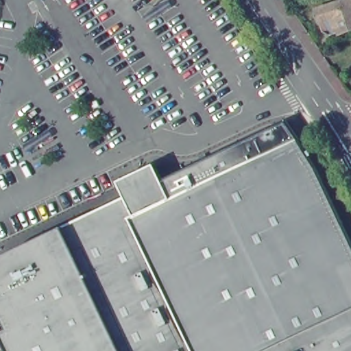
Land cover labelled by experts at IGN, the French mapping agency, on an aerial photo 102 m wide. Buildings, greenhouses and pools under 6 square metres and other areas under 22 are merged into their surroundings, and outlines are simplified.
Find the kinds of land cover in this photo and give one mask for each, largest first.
<instances>
[{"label":"building","instance_id":"1","mask_svg":"<svg viewBox=\"0 0 351 351\"><path fill-rule=\"evenodd\" d=\"M310 19L317 23L322 37H325L341 36L351 30V0H322L317 7L311 8L308 12ZM285 118H282L271 123L269 130H256L233 143L223 145L217 151L202 152L195 160L178 162L181 170L169 177L158 178L154 167L145 165L112 181L118 193L117 199L71 219L69 225L60 232L53 229L0 255V351H351V248L313 167L308 163L310 154L306 149L300 151L291 130L285 125Z\"/></svg>","mask_w":351,"mask_h":351},{"label":"impervious surface","instance_id":"2","mask_svg":"<svg viewBox=\"0 0 351 351\"><path fill-rule=\"evenodd\" d=\"M222 0H0V255L53 229L60 232L69 225L71 219L117 199L118 193L112 181L145 165L154 167L158 178L169 177L181 170L178 162L195 160L202 152L217 151L223 145L233 143L256 130H269L271 123L282 118H285V125L291 130L300 151L306 149L302 143L304 126L307 122L318 121L329 133L330 149L340 162L343 177H350L347 185L351 188V84H341L340 64L330 58L325 59L322 53L318 47L325 43V37H322L317 23L310 19L308 22H300L298 16L288 15L282 0H237L244 10L245 18L261 30L259 36L273 40L271 52L280 59L282 78L274 85L266 86L254 62V51L241 48L237 43L236 37L239 33L221 7ZM29 27H38L41 34L49 40L48 51L37 55L36 58L32 55H23L16 48V44L21 43L23 34ZM81 95L92 103V112L78 117L71 112L70 106L73 99H78ZM97 115L106 122V128L103 130L107 136L100 137L99 140H90L82 128ZM308 163L313 167L351 248V214L337 197L336 189L329 185L325 167L319 163L318 156L310 154Z\"/></svg>","mask_w":351,"mask_h":351},{"label":"deciduous trees","instance_id":"3","mask_svg":"<svg viewBox=\"0 0 351 351\"><path fill-rule=\"evenodd\" d=\"M221 7L239 33L236 37L237 43L241 48L254 51V62L266 86L274 85L282 78L280 59L271 52L273 40L259 36L261 30L245 18L244 10L237 0H222ZM288 15L298 16L300 22H308L310 19L308 12L311 8L317 7L322 0H282ZM16 48L23 55H32L36 58L37 55L48 51L49 40L41 34L38 27H29L23 34L21 43L16 44ZM351 40V30L341 36L325 37V43L318 47L322 53L333 55L340 52L335 44ZM71 112L78 117L92 112V103L81 95L78 99H73L70 106ZM106 128V122L97 115L82 128L90 140H99L100 137L107 136L103 130ZM302 143L306 149L310 154L318 156L319 163L325 167L329 185L336 189L337 197L351 214V188L347 185L350 177H343L340 162L330 149L329 133L318 121L307 122L304 126Z\"/></svg>","mask_w":351,"mask_h":351},{"label":"herbaceous vegetation","instance_id":"4","mask_svg":"<svg viewBox=\"0 0 351 351\"><path fill-rule=\"evenodd\" d=\"M340 52L333 55L322 53L325 59L330 58L340 64L341 84H351V40L335 44Z\"/></svg>","mask_w":351,"mask_h":351}]
</instances>
